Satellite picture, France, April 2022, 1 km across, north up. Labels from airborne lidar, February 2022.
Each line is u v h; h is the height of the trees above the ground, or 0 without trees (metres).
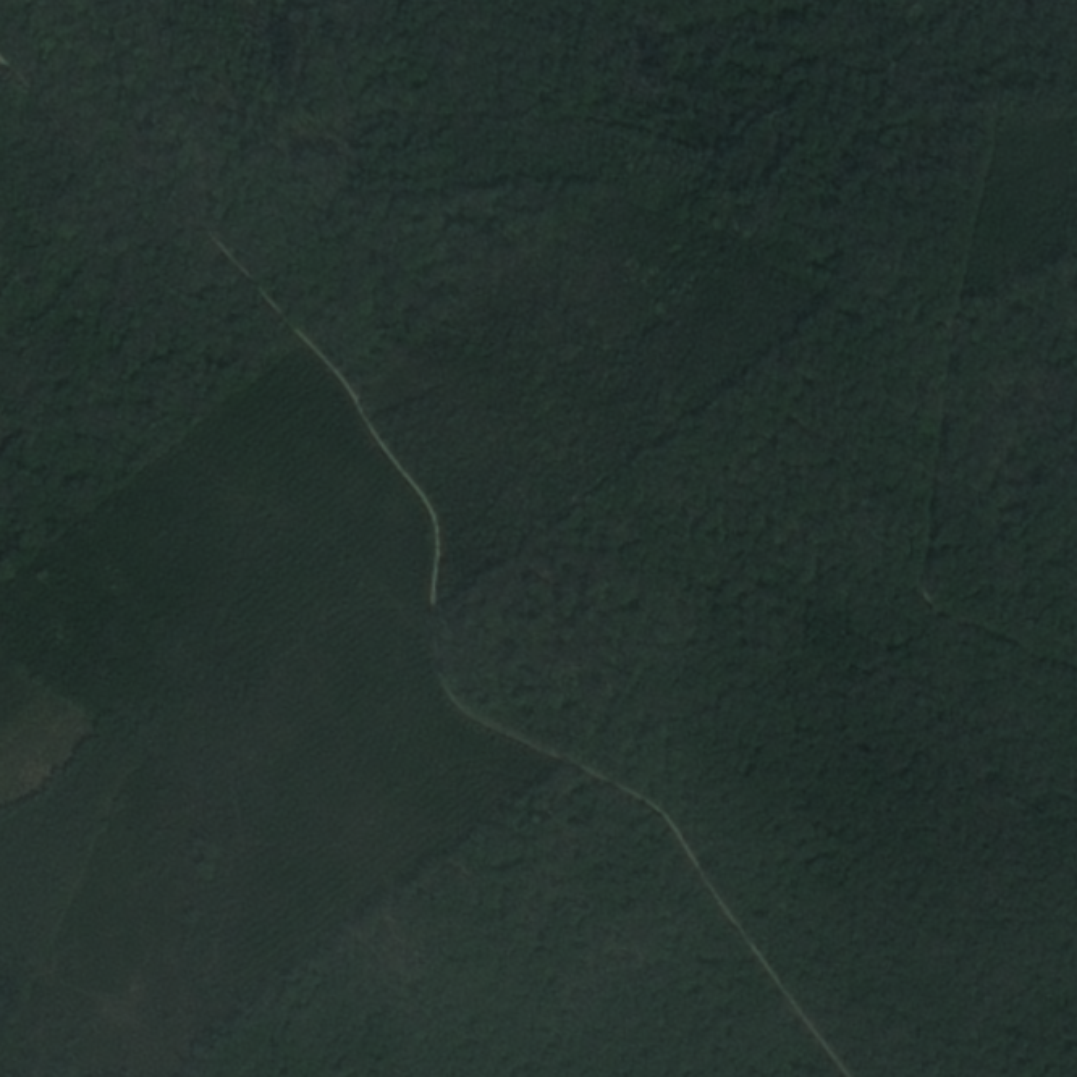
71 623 11
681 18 20
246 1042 24
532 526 19
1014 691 26
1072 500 26
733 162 29
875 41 31
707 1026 26
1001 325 28
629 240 14
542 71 25
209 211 27
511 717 23
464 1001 26
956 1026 23
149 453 21
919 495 21
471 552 11
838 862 19
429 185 23
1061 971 29
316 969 20
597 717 19
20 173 16
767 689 24
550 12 29
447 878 26
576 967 26
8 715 0
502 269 27
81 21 19
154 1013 0
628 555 23
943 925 24
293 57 30
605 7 29
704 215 24
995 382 29
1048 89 25
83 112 28
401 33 24
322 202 25
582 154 17
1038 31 25
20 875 16
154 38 31
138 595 7
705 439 28
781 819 24
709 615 22
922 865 28
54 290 13
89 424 25
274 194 15
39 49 16
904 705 24
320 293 20
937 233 22
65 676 7
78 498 26
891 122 25
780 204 25
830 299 24
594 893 22
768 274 17
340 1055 30
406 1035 23
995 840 25
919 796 24
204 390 26
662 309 12
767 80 16
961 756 27
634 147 16
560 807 25
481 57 31
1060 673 23
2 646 10
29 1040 10
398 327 23
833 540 31
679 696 27
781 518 26
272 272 21
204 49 20
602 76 26
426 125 18
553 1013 26
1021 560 24
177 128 30
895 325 26
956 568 22
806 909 23
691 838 20
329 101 28
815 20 23
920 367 26
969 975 24
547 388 13
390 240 29
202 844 24
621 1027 25
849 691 26
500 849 25
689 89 27
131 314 17
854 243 27
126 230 16
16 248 7
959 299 23
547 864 29
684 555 28
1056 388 29
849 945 24
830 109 12
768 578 28
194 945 8
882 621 23
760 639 27
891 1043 27
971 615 24
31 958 15
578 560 32
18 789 0
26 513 23
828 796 26
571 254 26
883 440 24
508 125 14
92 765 16
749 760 21
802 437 26
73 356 21
